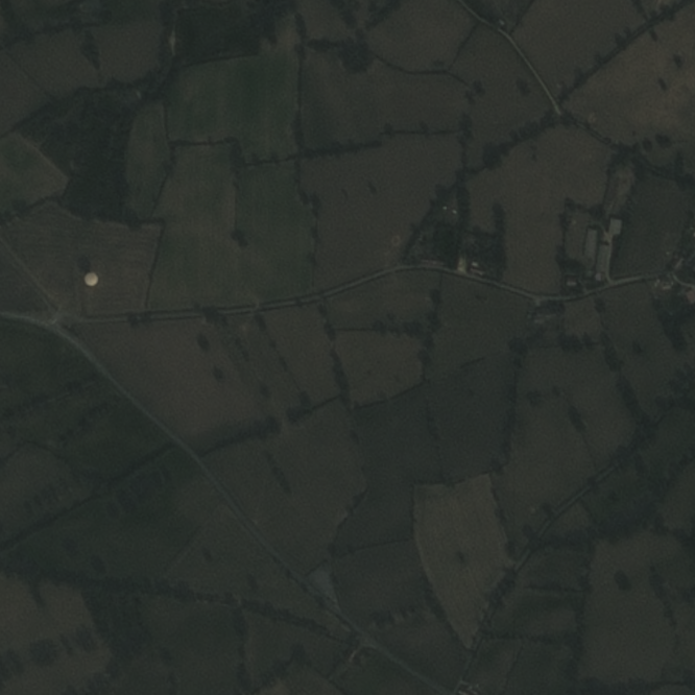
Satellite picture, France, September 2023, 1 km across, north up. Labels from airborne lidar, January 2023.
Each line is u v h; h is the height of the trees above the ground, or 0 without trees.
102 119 12
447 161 0
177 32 0
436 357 0
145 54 0
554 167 0
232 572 0
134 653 15
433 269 0
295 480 0
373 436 0
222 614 0
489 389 0
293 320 0
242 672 16
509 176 0
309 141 0
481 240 8
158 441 0
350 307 0
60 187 0
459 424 0
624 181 0
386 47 0
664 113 0
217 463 0
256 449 0
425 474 0
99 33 0
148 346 0
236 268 0
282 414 0
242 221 0
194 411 0
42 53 0
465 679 7
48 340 0
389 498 0
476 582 0
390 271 0
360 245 0
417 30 0
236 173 11
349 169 0
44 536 0
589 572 13
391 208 0
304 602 0
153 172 0
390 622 16
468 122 15
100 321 0
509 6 0
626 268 0
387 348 0
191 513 0
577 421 17
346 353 0
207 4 0
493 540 0
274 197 0
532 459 0
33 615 0
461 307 0
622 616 0
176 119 0
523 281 0
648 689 13
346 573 0
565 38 0
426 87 0
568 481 0
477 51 0
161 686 0
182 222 0
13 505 0
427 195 0
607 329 9
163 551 0
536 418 0
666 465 0
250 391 0
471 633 0
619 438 0
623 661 0
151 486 18
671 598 0
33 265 0
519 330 0
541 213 0
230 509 0
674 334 21
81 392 16
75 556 18
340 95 0
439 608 20
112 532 0
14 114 0
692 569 0
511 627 0
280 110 0
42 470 0
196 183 0
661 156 0
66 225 0
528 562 0
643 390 0
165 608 0
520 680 0
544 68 0
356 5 0
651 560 0
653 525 20
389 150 0
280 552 0
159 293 0
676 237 0
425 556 0
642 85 0
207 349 10
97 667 0
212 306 0
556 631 0
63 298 0
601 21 0
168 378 0
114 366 0
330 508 0
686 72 0
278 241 0
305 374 0
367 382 0
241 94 0
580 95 0
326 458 0
